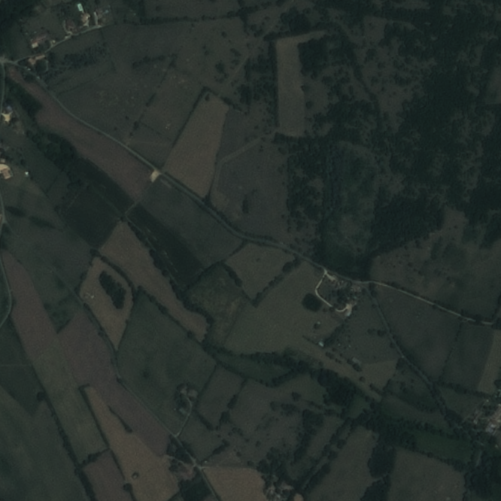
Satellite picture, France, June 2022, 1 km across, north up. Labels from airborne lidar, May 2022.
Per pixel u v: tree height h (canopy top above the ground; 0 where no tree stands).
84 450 0
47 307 0
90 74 0
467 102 9
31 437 0
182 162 0
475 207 11
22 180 0
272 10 0
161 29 0
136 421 0
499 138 12
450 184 6
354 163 10
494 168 8
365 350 0
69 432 0
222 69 6
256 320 0
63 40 0
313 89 0
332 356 8
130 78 0
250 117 0
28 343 0
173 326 0
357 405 0
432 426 10
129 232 0
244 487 0
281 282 0
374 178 15
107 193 0
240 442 0
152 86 0
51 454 0
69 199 0
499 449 0
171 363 0
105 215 0
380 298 0
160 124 0
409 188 10
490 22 6
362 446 0
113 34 0
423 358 0
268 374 0
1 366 0
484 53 7
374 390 17
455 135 7
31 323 0
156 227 0
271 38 11
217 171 0
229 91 0
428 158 9
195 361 0
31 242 0
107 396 0
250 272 0
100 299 0
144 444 0
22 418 0
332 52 10
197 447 0
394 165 10
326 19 8
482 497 13
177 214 0
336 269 8
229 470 0
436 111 9
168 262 0
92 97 0
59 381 0
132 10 0
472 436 16
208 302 0
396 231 8
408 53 8
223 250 0
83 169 0
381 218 9
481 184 8
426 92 6
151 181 0
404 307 0
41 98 0
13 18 19
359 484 0
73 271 0
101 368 0
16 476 0
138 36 0
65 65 14
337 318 0
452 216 0
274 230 0
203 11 0
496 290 0
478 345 0
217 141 0
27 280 0
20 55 0
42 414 0
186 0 0
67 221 0
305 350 0
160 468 0
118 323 0
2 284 0
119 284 8
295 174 8
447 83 11
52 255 0
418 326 0
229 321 0
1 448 0
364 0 9
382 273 0
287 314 0
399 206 12
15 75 0
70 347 0
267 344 0
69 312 0
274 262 0
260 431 0
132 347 0
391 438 8
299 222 7
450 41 9
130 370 0
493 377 0
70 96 0
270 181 0
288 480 12
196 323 0
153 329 0
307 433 10
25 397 0
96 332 0
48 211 0
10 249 0
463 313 12
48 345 0
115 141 0
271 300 0
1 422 0
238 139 0
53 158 17
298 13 8
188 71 0
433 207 11
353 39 0
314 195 8
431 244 0
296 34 8
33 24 0
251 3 0
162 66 0
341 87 8
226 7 0
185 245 0
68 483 0
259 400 0
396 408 0
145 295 9
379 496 14
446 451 0
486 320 6
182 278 0
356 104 9
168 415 0
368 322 0
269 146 0
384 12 11
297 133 0
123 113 0
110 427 0
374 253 9
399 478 0
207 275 13
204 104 0
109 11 0
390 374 0
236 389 0
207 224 0
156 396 0
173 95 0
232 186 0
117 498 0
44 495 0
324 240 7
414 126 10
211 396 0
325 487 0
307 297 6
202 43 0
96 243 0
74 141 0
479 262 0
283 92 0
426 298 6
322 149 11
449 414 17
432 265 0
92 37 0
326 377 20
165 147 0
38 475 0
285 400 0
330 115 10
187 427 0
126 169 0
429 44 11
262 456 0
